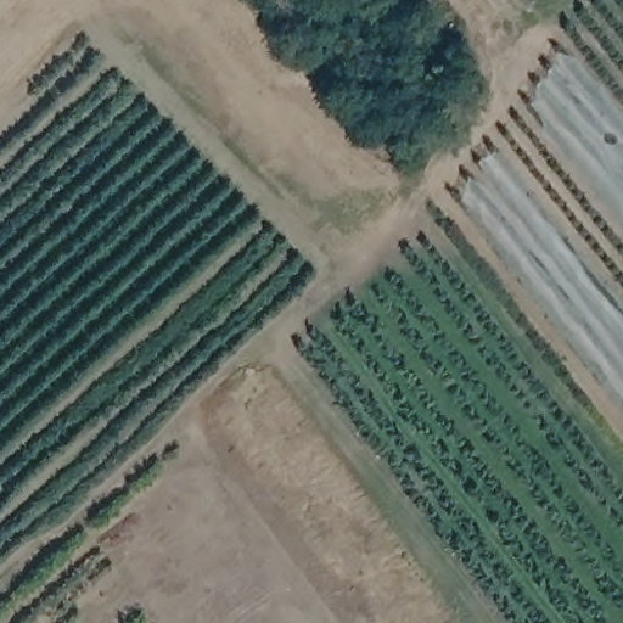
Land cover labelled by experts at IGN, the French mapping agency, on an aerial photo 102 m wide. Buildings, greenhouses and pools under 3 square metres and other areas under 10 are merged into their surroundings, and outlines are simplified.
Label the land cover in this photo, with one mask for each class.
<instances>
[{"label":"deciduous trees","instance_id":"1","mask_svg":"<svg viewBox=\"0 0 623 623\"><path fill-rule=\"evenodd\" d=\"M248 7L256 10V19L265 34L270 56L285 68L299 71L309 78L319 107L326 112V117L336 119L343 127L353 146H385L387 158L399 175H416L423 170L433 153L455 156L460 151V146L470 139L472 127L477 124L479 112H484L489 105V85L479 73L477 58L465 39L445 51V58L450 61L448 66L423 63L440 34L438 27L431 24L433 7L428 0H423L411 17L382 24L380 15L394 7L399 0H243ZM591 10L577 12L579 22L601 41L606 54L623 71V0H591ZM565 34L574 41L577 51L589 63V68L596 73V78L623 105V88L606 71L594 49L584 44V39L577 32V24L567 22L562 27ZM100 51H85V56L78 61L73 71H68L41 100H37L12 127H7L0 134V151L24 129H29L66 90H71L90 71ZM71 58L63 51L54 56L37 75L29 78L27 92L39 88L61 63ZM107 80L117 83L114 95H110L66 136H61L10 190L0 195V509L39 467H44L56 453H61L83 428L100 419L110 406H114V402L124 397V392H129L136 382L148 377V372L156 370L178 346H183L192 331L212 321L219 314V309L226 302H231L238 294V290L277 253V246L285 241V236L270 221H265L260 231L251 236V241L236 256H231L221 265V270L212 280H207L190 299H185L148 338L131 348L102 377H97L46 428L34 433L29 421H34L46 406H51L63 392H68L90 365L107 355L127 333H131L153 309L161 307L163 299H168L178 287H183L197 270H202L212 256H217L241 229H246L256 219L258 207L251 204L236 190V185H231V180L221 175L187 141V136L168 117H163L156 110V105L146 100V95L139 92L136 85L129 78H124L117 68L105 71L85 95L71 102L63 112H58L44 131L27 141L0 168V180H5L12 173L15 163H22L24 156L44 141V136L61 127L73 114V110H80L92 95H97L107 85ZM509 117L516 124L543 156L548 168L579 202V207L601 229L608 243L623 256V241L591 207L586 195L548 151L540 136L511 107ZM496 131L504 136L516 158L526 165V170L557 204V209L565 214V219L572 224L579 238H584V243L623 287V268L618 270V265L606 256L599 241L584 229V224L567 207V202L557 195V190L535 168L531 156L509 134V129L501 122H496ZM431 219L445 231V236L453 241L460 256L470 263V268H475L479 280L506 307L509 316L523 329L531 346L543 355V360L552 367V372L562 380V385L582 406L589 402L584 389L572 380L569 370L550 348V343H545L538 336V331L518 309L513 297L506 292L496 273L472 248V243L462 236L460 229L450 217L443 214V209L433 200L426 202V207ZM409 265L402 273L385 268L377 270L367 282L353 287L350 292L355 299L353 304L346 302L338 307L341 319H333V329L326 333L312 329L309 333L312 341H302L297 353L314 370L319 380L329 387L333 404L346 411V416L358 428L363 440L387 460L392 475L402 482L404 494L426 513L428 523L433 526V535L450 543L455 555L475 574L484 596L492 599L501 616L511 623H623V479L611 477L608 465L596 460L591 445L584 443V436L572 414L560 409L548 387L533 375L531 365L518 360L513 350V336H504L496 329V324H492L484 307L475 299L472 292H467L465 282L450 270L448 260L440 258L438 248L431 241L421 243L416 251H402ZM314 273V265L297 248H290L280 268L268 280H263L248 294V299L226 316L221 326L207 331L175 365H170L146 389H141L68 465L56 470V475H51L27 501H22L0 523V560H5L22 540L32 538L41 528L58 523L61 516H66L78 504V499L92 484H97L107 472H112L131 450L146 443L158 428L168 419V414H173L178 404L190 394L207 375L217 370L224 355L234 353L236 346L243 343L253 331H258L268 316H275L294 294H299V290L309 282ZM178 453V443H170L161 453L148 455L144 462L134 465V472L124 477V484L112 489L100 501L90 504L85 513L88 521L102 526L110 518V506L114 501L127 499L131 492L148 487L151 482L156 477L153 467L170 460ZM85 531L75 523L63 535L46 543L22 567V572H17L10 579L7 589L0 591V608L17 594L22 584H27L34 577L39 567H44V562L51 555H56L63 548L71 550L83 540ZM100 552V548H90L75 562H71L51 584H46V589L39 596L22 606L7 623H29L39 616V608L54 594H58L71 579H75V574L90 557Z\"/></svg>","mask_w":623,"mask_h":623},{"label":"herbaceous vegetation","instance_id":"2","mask_svg":"<svg viewBox=\"0 0 623 623\"><path fill-rule=\"evenodd\" d=\"M100 51L90 71L71 90H66L29 129H24L0 151V168L27 141L44 131L58 112H63L71 102L85 95L105 71L117 68L124 78H129L136 85L139 92L146 95V100L156 105V110L163 117H168L187 136V141L221 175L231 180V185H236V190L251 204L258 207L256 219L246 229H241L217 256H212L202 270H197L183 287H178L168 299H163L161 307L153 309L131 333H127L107 355L90 365L68 392H63L51 406H46L34 421H29L34 433L46 428L97 377H102L131 348L148 338L185 299H190L207 280H212L221 270V265L231 256H236L251 241V236L260 231L265 221H270L285 236V241L277 246V253L238 290V294L231 302H226L219 309V314L212 321L192 331L183 346H178L156 370L148 372V377L136 382L129 392H124V397L114 402V406H110L100 419L83 428L61 453H56L44 467H39L0 509V523L22 501H27L51 475H56V470L68 465L141 389H146L170 365H175L207 331L221 326L226 316L248 299V294L263 280H268L280 268L290 248H297L314 265V273L319 277H326L331 260H341L346 253H350V234L360 231L365 221L380 219L382 212L389 209L394 202L409 197L419 187L423 170L416 175H399L387 158L385 146H353L343 127L336 119L326 117V112L319 107L309 78L299 71L285 68L270 56L265 34L256 19V10L248 7L243 0H0V134L7 127H12L37 100H41L68 71H73L78 61L85 56V51ZM63 51L71 58L61 63L39 88L27 92L29 78L37 75L54 56ZM423 0H399L394 7L380 15L382 24L411 17ZM433 7L431 24L438 27L440 34L423 63L448 66L450 61L445 58V51L465 39V22L450 7L448 0H428ZM533 12H521V19L528 27L545 22H552L557 27L552 29L550 49L538 58L540 63L535 66V71L528 73L531 83L526 85V90H518V100L511 107L540 136L548 151L586 195L591 207L623 241V105L596 78V73L589 68V63L577 51L574 41L565 34L562 27L567 22L577 24V32L584 39V44L594 49L606 71L623 88V71L606 54L601 41L579 22L577 12L591 10V0H533ZM117 83L107 80V85L97 95H92L80 110H73V114L61 127L44 136V141L24 156L22 163H15L12 173L5 180H0V195L10 190L61 136H66L110 95H114ZM509 134L531 156L535 168L557 190V195L567 202V207L584 224V229L599 241L606 256L618 265V270L623 268V256L608 243L601 229L579 207V202L548 168L543 156L516 124L509 129ZM460 175L453 183L462 192V202H458V207L470 219L460 229L462 236L472 243V248L496 273L506 292L513 297L518 309L538 331V336L545 343H550V348L569 370L572 380L584 389L589 402L582 406L562 385V380L552 372V367L543 360V355L531 346L523 329L509 316L506 307L479 280L475 268H470V263L460 256L453 241L445 236V231L431 219L426 207L414 219L397 221L392 236L399 243L392 241L387 248L380 251L377 258V263L385 268L402 273L409 265L402 251H416L421 243L431 241L438 248L440 258L448 260L450 270L465 282L467 292H472L475 299L484 307L492 324H496V329L504 336H513V350L518 360L531 365L533 375L548 387L560 409L572 414L584 436V443L591 445L596 460L608 465L611 477L623 479V287L584 243V238H579L572 224L565 219V214L557 209V204L526 170V165L516 158L504 136L496 131V127H492L482 136L470 158L460 165ZM355 299L350 292L346 290L341 297H336L331 307L316 312L304 324L309 333L312 329L326 333L333 329V319H341L338 307L346 302L353 304ZM190 472L195 484L185 487V492H180L178 496L165 494L161 487L151 482L148 487L131 492L127 499L114 501L110 506V518L102 526L88 521L85 513L75 523L85 531L83 540L71 550L63 548L56 555H51L44 562V567H39L34 577L27 584H22L17 594L0 608V623H7L22 606L39 596L46 589V584H51L71 562H75L90 548H100V552L90 557L75 574V579H71L58 594H54L39 608V616L29 623H338L329 604L307 579L304 569H299L292 562L290 552L280 545L268 521L256 511V506L246 499L243 489L229 475H224L221 470L195 467Z\"/></svg>","mask_w":623,"mask_h":623},{"label":"agricultural land","instance_id":"3","mask_svg":"<svg viewBox=\"0 0 623 623\"><path fill-rule=\"evenodd\" d=\"M158 428L168 436L170 443H178V453L170 460L153 467L156 477L151 482L161 487L165 494L178 496L180 492H185V487L195 484L190 472L195 467L221 470L224 475H229L243 489L246 499L256 506V511L268 521L280 545L290 552L292 562L299 569H304L307 579L329 604L338 623H511L501 616L492 599L484 596L475 574L455 555L450 543L433 535V526L428 523L426 513L404 494L402 482L392 475L387 460L363 440L358 428L346 416V411L333 404L329 387L319 380L314 370L304 380H287L285 375L273 380V375L248 370L246 380L238 387L229 380H221L219 387L212 389L202 402L190 394L178 404L173 414H168V419Z\"/></svg>","mask_w":623,"mask_h":623},{"label":"pervious surface","instance_id":"4","mask_svg":"<svg viewBox=\"0 0 623 623\"><path fill-rule=\"evenodd\" d=\"M450 7L465 22V39L477 58L479 73L489 85V105L484 112H479L477 124L472 127L470 139L460 146V151L455 156L433 153L423 170L419 187L409 197L394 202L389 209L382 212L380 219L365 221L360 231L350 234V253H346L341 260H331L326 277H319L314 273L309 282L299 290V294H294L275 316H268L258 331H253L243 343L236 346L234 353L224 355L217 370L207 375L190 394L202 402L212 389L219 387L221 380H229L238 387L246 380L248 370L273 375V380L285 375L287 380H304L314 370L297 353L302 341H312L309 333L304 324L316 312L331 307L336 297H341L346 290L350 292L353 287L367 282L377 270L385 268L377 263V258L380 251L387 248L392 241L399 243L392 236L397 221L414 219L426 207V202L433 200L443 209V214L450 217L460 229L470 219L458 207V202H462V192L453 183L460 175V165L470 158L482 136L492 127H496V122H501L509 129L516 124L509 117L511 107L518 100V90H526V85L531 83L528 73L535 71V66L540 63L538 58L550 49L552 29L557 27L552 22H545L528 27L521 19V12H533V0H448ZM170 443L168 436L158 428L146 443L131 450L112 472H107L97 484H92L78 499V504L66 516H61L58 523L41 528L32 538L22 540L5 560H0V591L7 589L10 579L17 572H22V567L46 543L63 535L85 513L90 504L100 501L112 489L124 484V477L134 472V465L144 462L148 455L161 453Z\"/></svg>","mask_w":623,"mask_h":623}]
</instances>
